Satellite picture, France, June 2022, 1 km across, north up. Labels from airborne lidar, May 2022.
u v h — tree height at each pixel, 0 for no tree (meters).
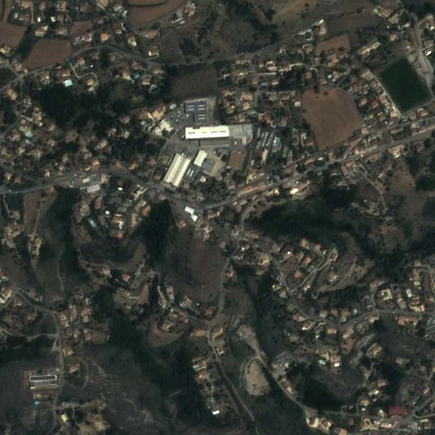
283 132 13
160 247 12
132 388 0
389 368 9
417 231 0
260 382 0
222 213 10
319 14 0
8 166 12
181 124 0
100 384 0
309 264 9
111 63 8
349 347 0
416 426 0
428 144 6
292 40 0
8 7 0
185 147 0
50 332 0
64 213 13
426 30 9
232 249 7
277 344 13
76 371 7
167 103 10
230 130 0
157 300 8
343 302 9
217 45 0
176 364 8
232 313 0
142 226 11
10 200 12
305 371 13
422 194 0
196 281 0
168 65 10
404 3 7
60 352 0
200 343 0
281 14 0
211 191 9
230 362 0
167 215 13
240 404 9
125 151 7
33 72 0
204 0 0
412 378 0
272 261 6
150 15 0
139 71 9
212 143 0
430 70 0
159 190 0
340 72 7
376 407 6
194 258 0
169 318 6
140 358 7
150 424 0
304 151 9
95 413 9
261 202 13
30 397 0
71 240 7
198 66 8
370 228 11
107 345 9
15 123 11
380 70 0
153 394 0
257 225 6
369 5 0
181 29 0
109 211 10
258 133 0
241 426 0
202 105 0
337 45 0
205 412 7
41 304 6
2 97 8
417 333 8
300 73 6
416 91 0
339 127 0
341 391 0
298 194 0
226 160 15
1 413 0
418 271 0
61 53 0
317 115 0
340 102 0
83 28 0
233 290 0
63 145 12
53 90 8
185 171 0
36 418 0
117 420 0
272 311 11
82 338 7
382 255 7
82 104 13
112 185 7
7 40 0
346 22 0
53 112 11
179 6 0
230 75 7
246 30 0
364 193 0
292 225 19
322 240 6
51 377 0
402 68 0
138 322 13
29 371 0
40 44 0
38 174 7
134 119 7
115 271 8
